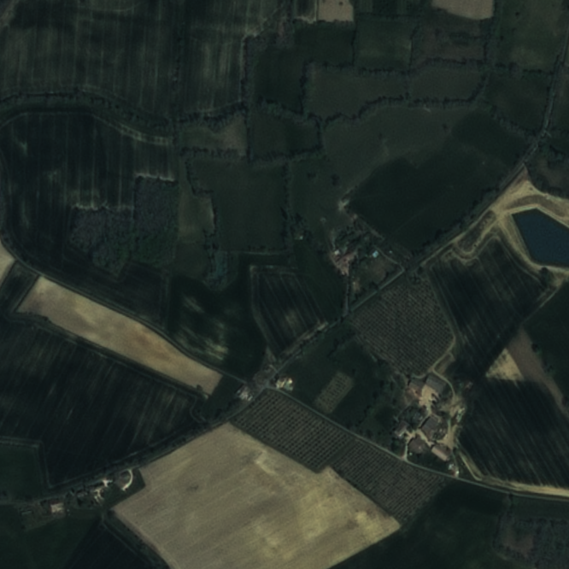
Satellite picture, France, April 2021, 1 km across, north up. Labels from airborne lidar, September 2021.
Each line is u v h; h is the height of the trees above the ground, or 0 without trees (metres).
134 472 0
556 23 0
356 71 19
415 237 0
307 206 0
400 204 0
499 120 16
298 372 0
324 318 0
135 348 0
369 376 0
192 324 0
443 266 0
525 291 0
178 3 12
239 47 0
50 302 0
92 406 0
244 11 0
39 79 0
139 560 0
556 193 15
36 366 0
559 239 0
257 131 0
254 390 20
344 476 14
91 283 0
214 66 0
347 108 0
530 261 0
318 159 13
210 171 0
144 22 0
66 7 0
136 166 0
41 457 0
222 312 0
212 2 0
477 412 0
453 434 0
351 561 0
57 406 0
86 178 0
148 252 18
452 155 0
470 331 0
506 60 0
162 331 0
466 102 10
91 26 0
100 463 0
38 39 0
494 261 0
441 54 0
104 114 0
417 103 10
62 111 0
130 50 0
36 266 10
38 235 0
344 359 0
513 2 0
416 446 0
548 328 0
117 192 0
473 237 0
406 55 0
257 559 0
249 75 17
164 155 0
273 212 0
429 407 0
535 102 0
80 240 20
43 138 0
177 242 15
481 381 0
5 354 0
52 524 0
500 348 0
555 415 0
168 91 0
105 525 0
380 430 0
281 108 15
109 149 0
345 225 0
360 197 0
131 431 0
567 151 0
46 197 0
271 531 0
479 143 0
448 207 0
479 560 0
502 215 0
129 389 0
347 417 0
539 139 18
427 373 10
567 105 0
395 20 7
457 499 0
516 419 0
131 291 0
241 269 0
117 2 0
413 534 0
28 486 0
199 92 0
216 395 0
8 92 0
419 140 0
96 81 0
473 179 0
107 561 0
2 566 0
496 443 0
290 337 0
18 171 0
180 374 0
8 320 0
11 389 0
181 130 6
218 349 0
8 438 0
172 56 0
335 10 0
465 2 0
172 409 0
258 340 0
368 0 0
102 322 0
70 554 0
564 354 0
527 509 0
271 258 0
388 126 0
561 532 22
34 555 0
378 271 0
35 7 0
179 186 13
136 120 14
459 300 0
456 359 0
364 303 0
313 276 0
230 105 0
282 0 0
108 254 28
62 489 0
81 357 0
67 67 0
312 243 19
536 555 17
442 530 0
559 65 7
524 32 0
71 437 0
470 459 0
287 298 0
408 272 11
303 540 0
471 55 0
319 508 0
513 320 0
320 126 19
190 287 0
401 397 0
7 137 0
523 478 0
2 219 15
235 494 0
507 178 11
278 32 0
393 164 0
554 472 0
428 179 0
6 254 0
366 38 0
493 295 0
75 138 0
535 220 0
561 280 0
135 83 0
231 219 0
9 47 0
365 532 0
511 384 0
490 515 0
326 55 0
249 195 0
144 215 19
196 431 9
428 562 0
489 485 0
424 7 7
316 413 0
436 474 0
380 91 0
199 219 0
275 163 19
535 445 0
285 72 0
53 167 0
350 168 0
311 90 19
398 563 0
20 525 0
